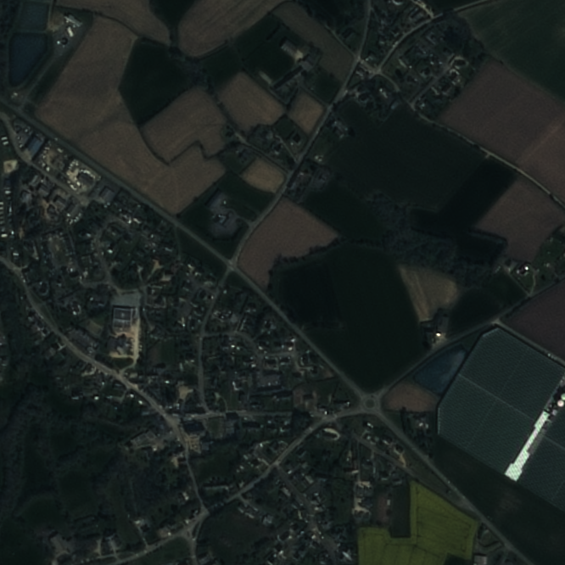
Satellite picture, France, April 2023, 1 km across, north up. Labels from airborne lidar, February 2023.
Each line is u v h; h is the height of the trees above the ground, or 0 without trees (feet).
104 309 28
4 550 0
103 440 56
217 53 0
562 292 0
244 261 0
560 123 0
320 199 0
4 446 50
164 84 0
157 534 0
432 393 0
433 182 0
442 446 0
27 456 0
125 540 0
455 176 0
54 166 0
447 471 0
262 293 0
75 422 25
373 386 0
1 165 0
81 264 23
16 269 0
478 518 0
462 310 0
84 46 0
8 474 51
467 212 0
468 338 0
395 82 27
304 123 0
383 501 0
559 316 0
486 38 0
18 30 0
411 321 0
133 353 0
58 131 0
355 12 22
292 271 0
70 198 0
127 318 0
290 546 0
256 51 0
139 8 0
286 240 0
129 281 20
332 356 0
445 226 0
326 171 24
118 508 0
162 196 0
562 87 0
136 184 0
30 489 0
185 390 0
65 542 0
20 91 0
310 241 0
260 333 37
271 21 0
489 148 0
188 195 0
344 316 0
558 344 0
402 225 44
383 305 0
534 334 0
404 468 0
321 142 0
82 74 0
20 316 44
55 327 0
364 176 0
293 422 24
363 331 0
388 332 0
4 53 49
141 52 0
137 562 0
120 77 0
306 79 38
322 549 18
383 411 0
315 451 0
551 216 0
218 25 0
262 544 33
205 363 29
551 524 0
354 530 63
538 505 0
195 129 0
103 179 0
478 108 0
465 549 0
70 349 0
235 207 0
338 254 0
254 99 0
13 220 46
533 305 0
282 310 30
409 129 0
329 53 0
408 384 0
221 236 0
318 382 0
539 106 0
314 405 0
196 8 0
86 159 0
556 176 0
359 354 0
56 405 0
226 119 36
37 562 0
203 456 33
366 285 0
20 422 36
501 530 0
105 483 28
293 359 0
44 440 29
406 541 0
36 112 0
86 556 41
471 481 0
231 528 0
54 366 46
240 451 29
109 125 0
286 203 0
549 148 0
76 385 0
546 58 0
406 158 0
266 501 28
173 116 0
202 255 0
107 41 0
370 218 0
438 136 0
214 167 0
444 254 53
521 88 0
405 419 27
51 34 0
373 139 0
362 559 0
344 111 0
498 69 0
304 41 0
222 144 0
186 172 0
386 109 20
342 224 0
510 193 0
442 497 0
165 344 0
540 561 0
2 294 59
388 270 0
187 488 30
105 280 0
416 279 0
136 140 0
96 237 0
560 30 0
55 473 36
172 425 0
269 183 0
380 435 0
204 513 0
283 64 0
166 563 0
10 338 33
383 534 0
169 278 0
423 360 0
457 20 43
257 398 22
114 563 0
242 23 0
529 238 0
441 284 0
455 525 0
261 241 0
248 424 0
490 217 0
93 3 0
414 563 0
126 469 43
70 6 0
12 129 0
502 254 36
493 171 0
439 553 0
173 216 0
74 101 0
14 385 36
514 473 0
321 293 0
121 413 25
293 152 0
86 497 0
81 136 0
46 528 25
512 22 0
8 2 28
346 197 0
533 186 0
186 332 36
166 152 0
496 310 0
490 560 0
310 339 0
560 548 0
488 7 0
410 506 0
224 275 0
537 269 0
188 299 0
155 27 0
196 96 0
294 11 0
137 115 0
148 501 60
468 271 20
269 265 0
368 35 0
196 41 0
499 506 0
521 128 0
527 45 0
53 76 0
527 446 0
